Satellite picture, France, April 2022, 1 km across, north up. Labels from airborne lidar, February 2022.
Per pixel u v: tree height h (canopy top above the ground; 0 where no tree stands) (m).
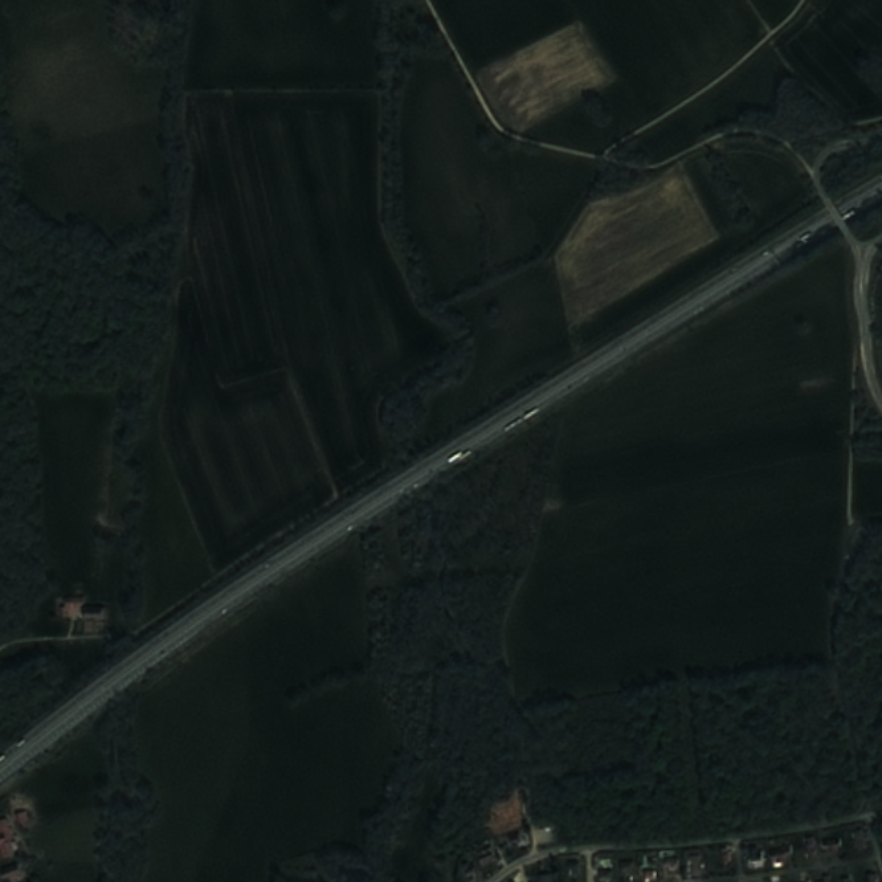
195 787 0
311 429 0
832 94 0
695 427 0
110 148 0
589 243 0
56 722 0
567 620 0
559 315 0
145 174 0
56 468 0
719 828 16
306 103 0
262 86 0
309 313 0
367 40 0
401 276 0
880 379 0
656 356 0
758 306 0
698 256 0
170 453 0
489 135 18
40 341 20
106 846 15
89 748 0
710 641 0
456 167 0
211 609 0
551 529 0
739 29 0
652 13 0
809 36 0
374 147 0
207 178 0
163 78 0
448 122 0
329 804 0
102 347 24
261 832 0
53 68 0
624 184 15
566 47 0
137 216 0
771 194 0
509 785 27
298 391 0
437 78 0
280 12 0
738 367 0
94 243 25
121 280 20
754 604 0
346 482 0
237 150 0
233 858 0
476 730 30
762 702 22
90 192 0
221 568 0
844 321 0
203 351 0
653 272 0
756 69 0
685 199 0
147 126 0
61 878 0
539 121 0
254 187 0
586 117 0
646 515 0
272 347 0
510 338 0
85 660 0
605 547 0
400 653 25
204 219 0
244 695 0
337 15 17
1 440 25
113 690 0
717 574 0
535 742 27
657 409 0
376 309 0
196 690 0
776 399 0
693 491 0
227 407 0
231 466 0
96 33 0
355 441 0
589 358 0
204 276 0
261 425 0
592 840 12
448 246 0
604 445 0
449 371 19
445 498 20
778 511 0
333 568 0
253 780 0
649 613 0
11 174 20
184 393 0
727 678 20
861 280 0
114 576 0
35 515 20
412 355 0
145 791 24
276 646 0
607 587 0
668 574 0
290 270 0
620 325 0
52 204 0
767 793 25
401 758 14
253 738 0
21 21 0
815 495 0
